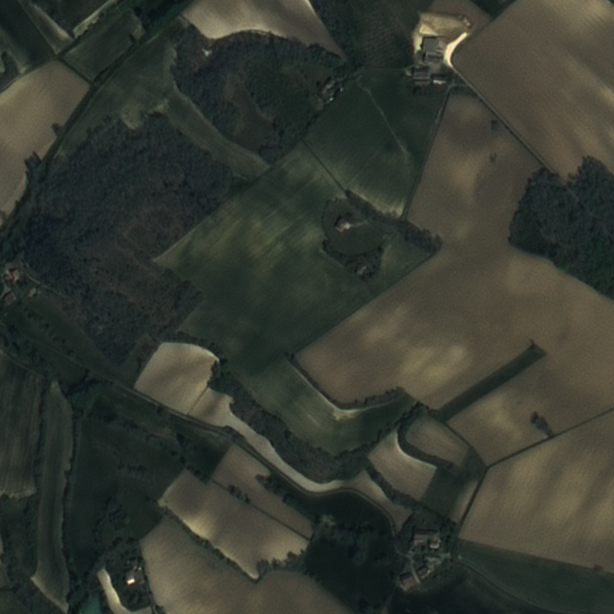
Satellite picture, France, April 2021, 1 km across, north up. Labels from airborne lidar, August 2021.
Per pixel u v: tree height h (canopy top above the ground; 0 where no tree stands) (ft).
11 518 0
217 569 0
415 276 0
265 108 45
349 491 0
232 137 24
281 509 0
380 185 0
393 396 45
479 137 0
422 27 0
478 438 0
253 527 0
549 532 0
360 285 0
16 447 0
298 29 0
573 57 0
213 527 0
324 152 0
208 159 55
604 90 0
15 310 0
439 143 0
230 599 0
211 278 0
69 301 31
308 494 0
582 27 0
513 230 34
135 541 38
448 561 23
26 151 0
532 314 0
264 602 0
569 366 0
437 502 0
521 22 0
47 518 0
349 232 0
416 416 27
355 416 0
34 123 0
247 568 0
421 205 0
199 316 0
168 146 50
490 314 0
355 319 0
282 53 52
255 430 28
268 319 0
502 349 0
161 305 32
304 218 0
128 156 40
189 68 38
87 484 0
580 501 0
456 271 0
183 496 0
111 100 0
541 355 0
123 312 64
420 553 20
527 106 0
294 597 0
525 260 0
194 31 40
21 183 0
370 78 0
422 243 51
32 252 47
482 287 0
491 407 0
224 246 0
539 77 0
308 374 30
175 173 23
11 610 0
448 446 0
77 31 0
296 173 0
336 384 0
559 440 0
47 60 0
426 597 0
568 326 0
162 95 0
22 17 0
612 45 0
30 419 0
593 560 0
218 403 0
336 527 29
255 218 0
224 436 0
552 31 0
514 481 0
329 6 46
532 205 51
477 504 0
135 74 0
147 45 0
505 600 0
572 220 41
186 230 27
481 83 0
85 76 0
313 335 0
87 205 63
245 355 0
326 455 46
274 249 0
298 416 0
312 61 38
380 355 0
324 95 30
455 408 0
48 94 0
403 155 0
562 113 0
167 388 0
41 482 41
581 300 0
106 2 0
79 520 0
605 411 0
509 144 0
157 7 0
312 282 0
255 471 0
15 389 0
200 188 34
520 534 0
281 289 0
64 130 55
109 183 54
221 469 0
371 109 0
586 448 0
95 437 0
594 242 63
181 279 31
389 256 0
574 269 64
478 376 0
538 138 0
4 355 0
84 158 58
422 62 0
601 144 0
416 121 0
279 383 0
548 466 0
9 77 51
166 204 28
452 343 0
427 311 0
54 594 0
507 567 0
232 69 31
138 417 0
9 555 43
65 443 0
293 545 0
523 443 0
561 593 0
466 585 0
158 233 25
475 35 0
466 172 0
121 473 25
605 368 0
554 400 0
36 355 59
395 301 0
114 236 27
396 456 0
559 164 0
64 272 33
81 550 0
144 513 0
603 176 73
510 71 0
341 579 0
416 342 0
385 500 0
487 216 0
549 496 0
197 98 65
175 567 0
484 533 0
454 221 0
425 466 0
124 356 26
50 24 0
